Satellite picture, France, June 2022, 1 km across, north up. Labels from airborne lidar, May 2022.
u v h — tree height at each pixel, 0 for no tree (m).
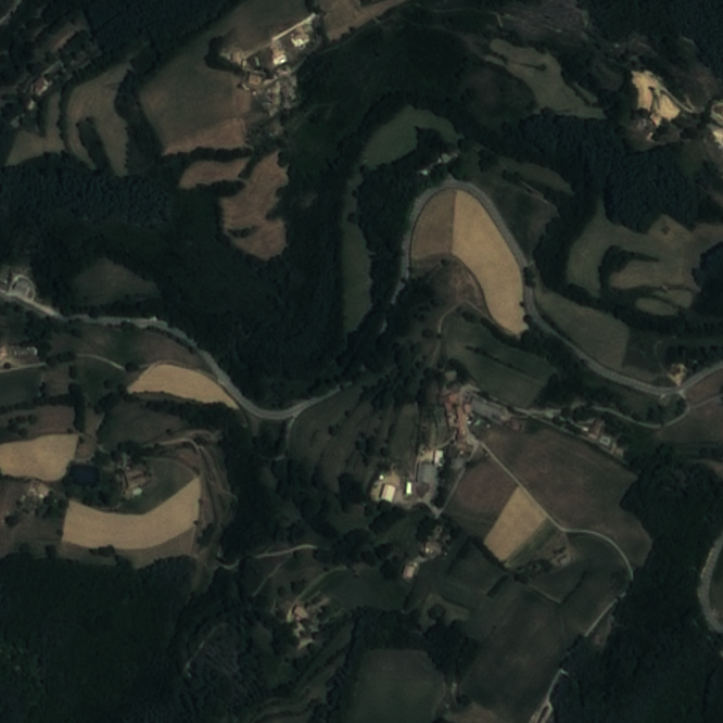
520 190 0
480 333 0
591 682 23
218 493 0
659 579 20
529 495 0
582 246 0
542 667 0
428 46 6
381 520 13
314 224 20
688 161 0
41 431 0
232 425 15
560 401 6
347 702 17
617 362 0
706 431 0
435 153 8
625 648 19
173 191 15
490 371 0
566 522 0
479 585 0
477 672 0
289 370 23
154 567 13
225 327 15
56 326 22
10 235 18
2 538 0
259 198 0
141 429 0
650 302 0
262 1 0
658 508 21
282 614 14
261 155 10
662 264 0
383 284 21
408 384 14
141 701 20
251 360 19
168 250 6
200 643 9
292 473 15
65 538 0
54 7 18
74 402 19
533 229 0
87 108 0
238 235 12
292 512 0
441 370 7
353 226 0
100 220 26
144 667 22
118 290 0
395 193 9
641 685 17
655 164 36
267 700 12
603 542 0
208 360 0
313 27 0
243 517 14
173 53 17
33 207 35
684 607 22
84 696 15
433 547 0
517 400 0
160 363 0
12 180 32
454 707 0
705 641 18
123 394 12
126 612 17
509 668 0
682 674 17
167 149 0
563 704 17
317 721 18
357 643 19
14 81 10
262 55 0
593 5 23
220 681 22
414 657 0
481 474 0
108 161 7
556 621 0
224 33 0
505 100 0
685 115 0
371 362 20
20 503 11
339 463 0
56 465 0
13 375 0
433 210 0
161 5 23
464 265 0
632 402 0
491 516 0
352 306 0
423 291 12
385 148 0
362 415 0
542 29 0
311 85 13
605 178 28
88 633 14
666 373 0
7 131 31
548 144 32
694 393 0
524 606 0
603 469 0
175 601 17
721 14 35
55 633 19
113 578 19
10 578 18
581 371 18
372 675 0
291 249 11
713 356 17
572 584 0
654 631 22
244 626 15
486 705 0
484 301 0
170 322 13
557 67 0
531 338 16
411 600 10
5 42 7
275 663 0
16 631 17
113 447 0
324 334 20
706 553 19
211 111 0
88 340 0
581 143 31
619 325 0
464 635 15
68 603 19
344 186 18
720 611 0
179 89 0
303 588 9
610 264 7
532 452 0
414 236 0
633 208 36
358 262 0
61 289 24
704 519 19
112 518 0
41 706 8
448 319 0
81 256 17
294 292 9
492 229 0
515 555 0
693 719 22
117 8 17
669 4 21
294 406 0
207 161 12
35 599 15
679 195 36
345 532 0
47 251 17
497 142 25
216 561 0
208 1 28
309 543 0
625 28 21
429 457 0
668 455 10
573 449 0
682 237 0
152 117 0
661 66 15
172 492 0
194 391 0
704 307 8
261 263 14
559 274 20
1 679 16
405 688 0
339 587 0
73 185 31
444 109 24
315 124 30
